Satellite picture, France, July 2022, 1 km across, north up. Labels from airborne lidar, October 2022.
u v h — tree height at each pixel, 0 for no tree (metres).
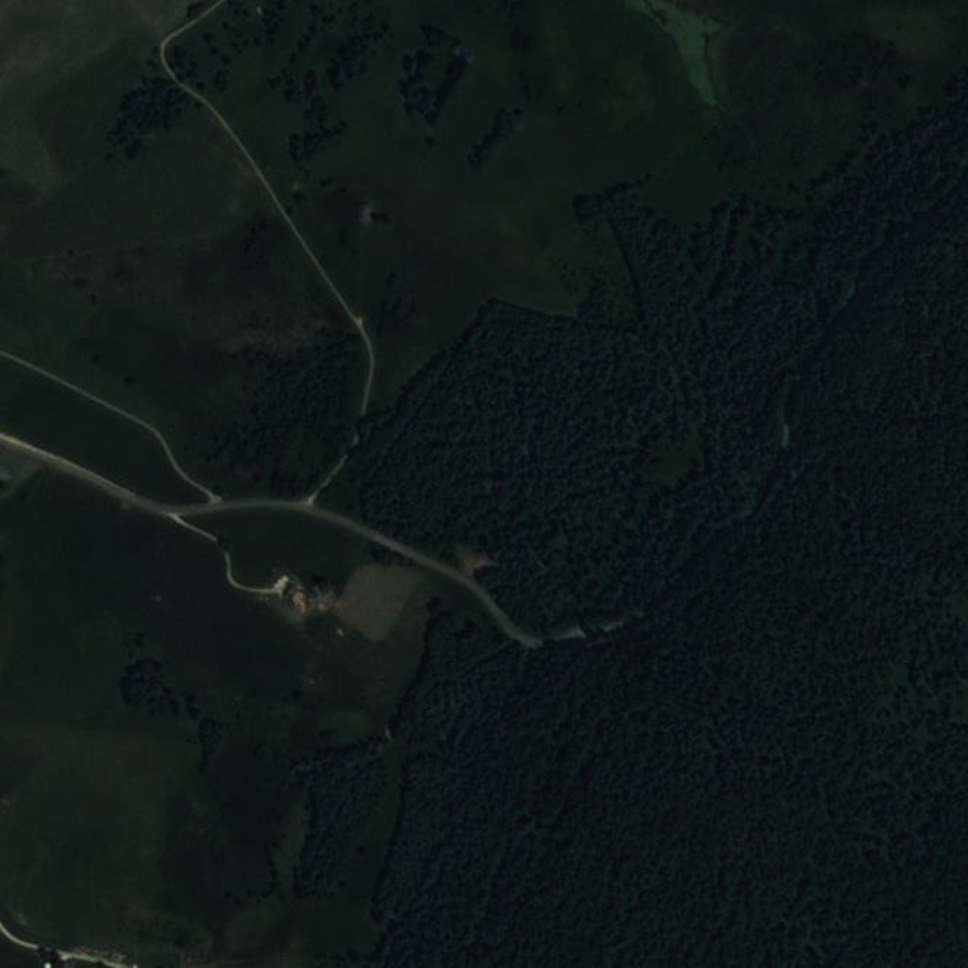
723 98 0
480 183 0
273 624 0
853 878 16
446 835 20
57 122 0
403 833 19
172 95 17
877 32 0
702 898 21
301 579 0
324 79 0
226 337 0
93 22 0
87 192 0
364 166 0
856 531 16
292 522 0
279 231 0
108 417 0
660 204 0
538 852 20
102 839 0
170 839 0
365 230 0
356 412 0
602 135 0
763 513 8
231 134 0
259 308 0
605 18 0
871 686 20
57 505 0
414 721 23
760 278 21
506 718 26
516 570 23
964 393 20
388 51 0
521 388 15
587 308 14
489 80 0
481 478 24
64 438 0
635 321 9
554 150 0
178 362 0
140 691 27
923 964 25
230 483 0
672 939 22
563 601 18
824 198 10
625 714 20
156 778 0
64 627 0
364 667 0
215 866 0
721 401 16
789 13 0
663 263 26
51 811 0
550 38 0
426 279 0
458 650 23
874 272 20
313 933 0
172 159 0
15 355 0
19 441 0
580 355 24
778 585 17
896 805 26
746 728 26
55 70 0
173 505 0
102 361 12
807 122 0
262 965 0
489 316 21
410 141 0
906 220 20
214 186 0
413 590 0
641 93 0
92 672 0
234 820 0
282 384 9
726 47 0
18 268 0
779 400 19
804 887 14
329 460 6
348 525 0
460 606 0
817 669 12
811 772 18
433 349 0
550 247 0
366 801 24
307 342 0
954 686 28
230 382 0
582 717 19
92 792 0
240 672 0
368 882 0
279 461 14
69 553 0
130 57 0
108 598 0
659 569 28
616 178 0
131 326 0
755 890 25
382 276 0
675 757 12
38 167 0
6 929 0
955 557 10
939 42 0
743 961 21
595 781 27
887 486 23
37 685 0
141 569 0
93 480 0
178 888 0
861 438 18
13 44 0
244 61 0
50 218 0
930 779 10
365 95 0
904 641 24
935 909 12
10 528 0
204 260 0
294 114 0
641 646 17
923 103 0
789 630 11
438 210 0
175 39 0
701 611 26
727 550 18
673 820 18
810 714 14
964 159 24
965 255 25
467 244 0
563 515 31
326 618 0
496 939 30
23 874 0
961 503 13
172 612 0
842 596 18
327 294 0
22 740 0
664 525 33
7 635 0
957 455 20
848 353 21
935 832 28
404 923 9
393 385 0
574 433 23
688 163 0
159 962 0
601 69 0
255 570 0
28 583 0
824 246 22
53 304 0
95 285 0
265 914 0
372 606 0
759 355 28
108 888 0
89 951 0
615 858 22
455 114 0
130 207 0
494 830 18
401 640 0
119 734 0
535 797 12
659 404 32
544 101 0
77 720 0
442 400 21
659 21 0
